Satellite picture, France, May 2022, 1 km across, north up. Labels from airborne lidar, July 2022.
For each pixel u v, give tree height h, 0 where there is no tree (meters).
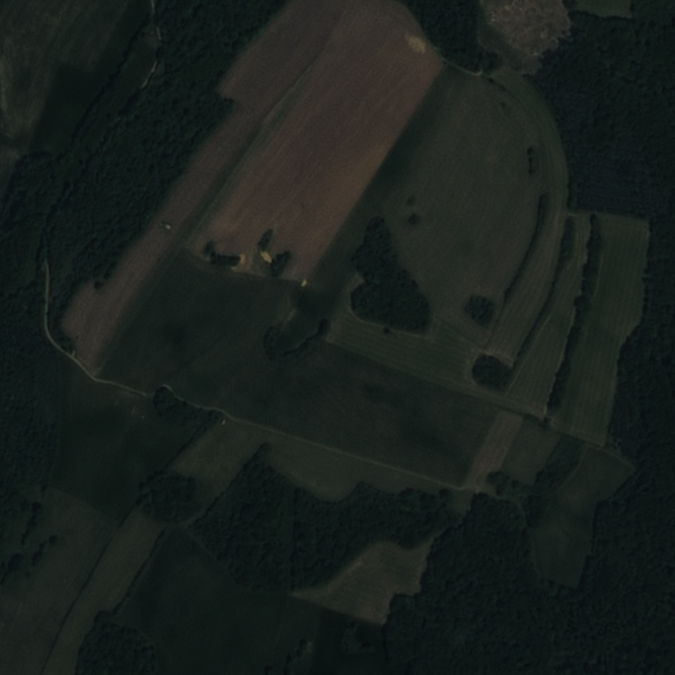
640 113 19
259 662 0
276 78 0
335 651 0
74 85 0
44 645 0
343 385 0
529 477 0
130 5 0
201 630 0
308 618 0
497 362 13
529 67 0
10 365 7
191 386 0
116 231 8
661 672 30
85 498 0
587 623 26
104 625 12
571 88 11
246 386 0
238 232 0
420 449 0
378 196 0
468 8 19
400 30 0
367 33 0
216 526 9
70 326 0
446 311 0
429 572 11
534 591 24
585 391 0
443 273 0
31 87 0
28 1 0
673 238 14
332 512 8
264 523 18
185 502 16
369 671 0
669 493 18
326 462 0
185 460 0
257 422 0
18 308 11
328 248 0
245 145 0
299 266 0
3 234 22
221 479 0
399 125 0
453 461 0
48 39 0
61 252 8
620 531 20
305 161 0
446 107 0
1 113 0
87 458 0
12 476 17
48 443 8
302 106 0
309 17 0
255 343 0
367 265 16
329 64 0
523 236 0
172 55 17
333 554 16
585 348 0
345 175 0
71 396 0
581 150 13
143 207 7
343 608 0
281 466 0
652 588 23
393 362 0
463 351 0
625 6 0
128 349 0
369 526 17
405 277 15
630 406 8
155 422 0
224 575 0
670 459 26
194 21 18
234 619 0
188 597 0
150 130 8
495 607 14
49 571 0
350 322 0
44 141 0
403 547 14
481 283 0
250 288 0
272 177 0
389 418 0
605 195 14
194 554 0
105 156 12
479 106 0
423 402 0
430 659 23
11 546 0
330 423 0
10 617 0
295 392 0
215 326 0
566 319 0
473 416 0
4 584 10
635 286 0
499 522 20
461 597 23
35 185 20
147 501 10
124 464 0
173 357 0
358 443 0
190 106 10
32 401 8
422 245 0
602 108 23
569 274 0
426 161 0
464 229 0
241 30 13
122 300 0
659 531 20
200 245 0
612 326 0
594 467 0
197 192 0
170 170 9
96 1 0
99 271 14
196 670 0
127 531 0
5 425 6
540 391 0
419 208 0
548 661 24
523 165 0
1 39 0
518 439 0
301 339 0
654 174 15
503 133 0
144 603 0
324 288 0
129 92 0
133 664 13
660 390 25
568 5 18
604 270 0
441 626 21
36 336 8
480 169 0
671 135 19
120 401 0
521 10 0
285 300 0
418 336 0
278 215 0
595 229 6
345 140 0
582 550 0
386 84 0
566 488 0
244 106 0
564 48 22
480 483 0
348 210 0
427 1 21
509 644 18
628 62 21
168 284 0
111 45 0
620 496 7
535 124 0
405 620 18
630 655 33
